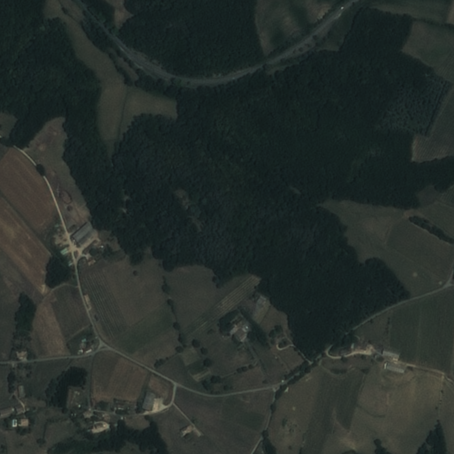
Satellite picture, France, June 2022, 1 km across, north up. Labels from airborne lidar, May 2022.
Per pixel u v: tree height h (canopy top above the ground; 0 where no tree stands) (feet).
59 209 0
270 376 0
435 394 0
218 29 59
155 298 0
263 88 61
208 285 0
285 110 32
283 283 48
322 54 60
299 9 0
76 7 0
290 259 46
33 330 0
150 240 51
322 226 60
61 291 0
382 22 53
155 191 71
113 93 0
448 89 49
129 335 0
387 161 39
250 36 57
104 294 0
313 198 72
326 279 71
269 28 0
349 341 51
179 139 74
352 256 67
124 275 0
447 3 0
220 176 46
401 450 0
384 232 0
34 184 0
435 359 0
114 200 93
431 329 0
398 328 0
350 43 49
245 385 0
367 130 49
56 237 0
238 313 29
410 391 0
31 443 0
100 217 69
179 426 0
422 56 0
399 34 46
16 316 24
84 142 62
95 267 0
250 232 52
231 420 0
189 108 90
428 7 0
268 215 45
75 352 0
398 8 0
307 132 43
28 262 0
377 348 0
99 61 0
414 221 45
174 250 80
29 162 0
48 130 0
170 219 85
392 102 49
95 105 71
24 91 58
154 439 60
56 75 45
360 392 0
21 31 79
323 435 0
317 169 53
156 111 0
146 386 0
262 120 40
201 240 50
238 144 71
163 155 56
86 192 71
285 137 42
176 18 73
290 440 0
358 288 74
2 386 0
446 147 0
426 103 53
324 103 44
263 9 0
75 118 66
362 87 35
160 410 0
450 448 0
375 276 60
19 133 61
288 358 0
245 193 40
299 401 0
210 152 82
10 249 0
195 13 66
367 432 0
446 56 0
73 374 30
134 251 57
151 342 0
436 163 51
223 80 0
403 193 60
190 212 54
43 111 45
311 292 71
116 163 87
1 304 0
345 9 0
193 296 0
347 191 62
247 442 0
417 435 0
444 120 0
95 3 56
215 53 53
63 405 33
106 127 0
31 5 51
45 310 0
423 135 39
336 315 70
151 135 74
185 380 0
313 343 64
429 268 0
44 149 0
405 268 0
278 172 66
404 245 0
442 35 0
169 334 0
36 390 0
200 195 73
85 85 56
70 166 42
